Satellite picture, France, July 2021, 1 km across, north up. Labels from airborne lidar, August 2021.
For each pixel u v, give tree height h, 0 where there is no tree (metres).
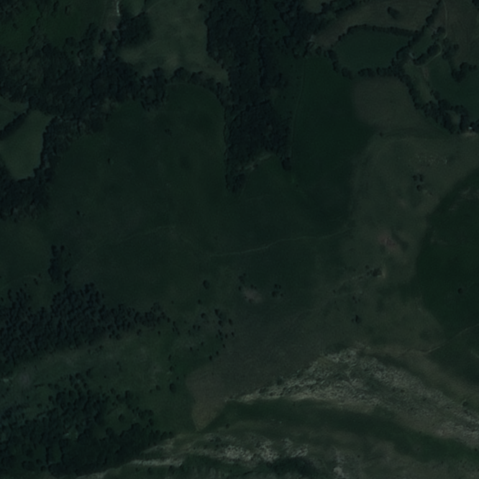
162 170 0
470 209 0
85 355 0
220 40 19
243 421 0
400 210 0
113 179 0
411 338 0
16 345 14
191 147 0
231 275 0
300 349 0
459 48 12
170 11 0
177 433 0
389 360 0
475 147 0
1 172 27
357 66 0
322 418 0
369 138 0
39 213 21
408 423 0
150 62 0
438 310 0
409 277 0
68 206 0
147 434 18
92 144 0
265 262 0
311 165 0
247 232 0
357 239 0
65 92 22
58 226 0
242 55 30
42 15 14
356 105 0
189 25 0
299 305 0
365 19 0
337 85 0
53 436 14
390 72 15
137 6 0
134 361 0
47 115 6
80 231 0
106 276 0
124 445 19
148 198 0
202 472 0
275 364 0
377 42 0
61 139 24
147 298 0
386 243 0
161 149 0
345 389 0
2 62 24
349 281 0
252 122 24
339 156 0
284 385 14
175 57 0
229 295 0
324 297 0
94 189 0
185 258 0
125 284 0
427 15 0
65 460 13
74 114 18
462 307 0
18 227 0
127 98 22
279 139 24
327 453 0
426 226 0
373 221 0
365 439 0
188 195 0
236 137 30
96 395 11
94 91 23
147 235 0
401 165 0
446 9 0
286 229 0
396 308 0
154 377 0
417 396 0
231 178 13
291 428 0
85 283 0
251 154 15
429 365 0
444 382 0
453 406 0
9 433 12
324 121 0
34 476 0
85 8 0
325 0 0
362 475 0
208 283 14
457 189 0
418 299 0
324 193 0
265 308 0
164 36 0
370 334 0
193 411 0
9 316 15
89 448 18
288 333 0
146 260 0
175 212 0
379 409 0
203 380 0
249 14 10
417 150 0
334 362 0
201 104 0
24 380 0
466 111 18
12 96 22
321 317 0
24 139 0
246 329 0
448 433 0
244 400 0
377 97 0
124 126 0
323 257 0
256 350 0
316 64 0
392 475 0
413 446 0
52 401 8
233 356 0
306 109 0
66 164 0
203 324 0
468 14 0
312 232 0
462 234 0
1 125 0
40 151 0
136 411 10
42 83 16
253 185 0
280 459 6
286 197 0
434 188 0
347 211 0
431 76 0
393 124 0
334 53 20
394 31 18
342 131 0
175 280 0
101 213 0
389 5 0
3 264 0
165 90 12
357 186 0
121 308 13
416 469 0
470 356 0
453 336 0
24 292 17
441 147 0
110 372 0
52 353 7
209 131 0
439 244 0
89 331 17
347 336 0
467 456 0
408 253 0
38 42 21
